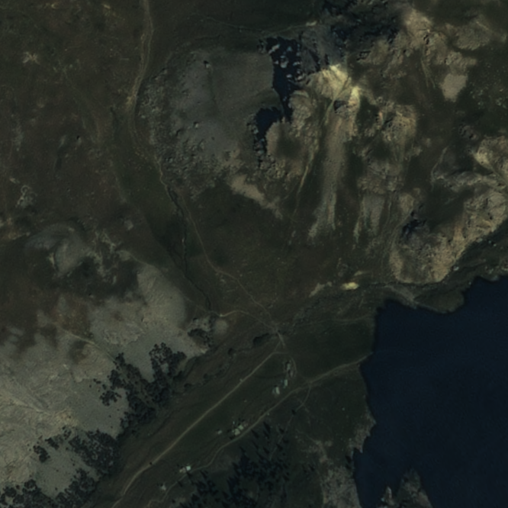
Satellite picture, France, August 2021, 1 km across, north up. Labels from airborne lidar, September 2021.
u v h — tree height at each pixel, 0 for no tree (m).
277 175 0
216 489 14
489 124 0
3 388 0
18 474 0
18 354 0
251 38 0
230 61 0
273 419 0
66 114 0
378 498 0
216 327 0
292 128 0
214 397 0
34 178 0
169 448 0
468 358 0
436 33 0
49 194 0
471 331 0
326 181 0
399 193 0
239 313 0
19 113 0
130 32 0
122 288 0
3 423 0
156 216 0
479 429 0
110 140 0
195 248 0
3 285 0
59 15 0
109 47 0
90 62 0
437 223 0
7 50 0
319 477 0
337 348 0
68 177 0
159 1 0
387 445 0
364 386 0
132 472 0
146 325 0
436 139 0
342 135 0
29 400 0
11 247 0
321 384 0
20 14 0
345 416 0
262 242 0
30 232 0
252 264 0
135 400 12
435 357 0
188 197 0
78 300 0
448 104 0
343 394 0
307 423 0
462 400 0
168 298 0
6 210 0
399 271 0
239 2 0
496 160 0
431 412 0
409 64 0
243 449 0
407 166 0
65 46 0
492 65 0
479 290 0
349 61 0
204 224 0
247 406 0
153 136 0
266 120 0
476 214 0
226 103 0
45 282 0
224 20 0
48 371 0
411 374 0
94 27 0
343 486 0
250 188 0
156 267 0
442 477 0
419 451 0
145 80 0
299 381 0
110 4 0
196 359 0
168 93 0
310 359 0
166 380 16
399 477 0
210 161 0
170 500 0
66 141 0
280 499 0
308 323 0
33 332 0
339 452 0
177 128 0
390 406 0
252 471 16
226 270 0
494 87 0
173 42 0
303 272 0
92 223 0
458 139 0
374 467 0
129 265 0
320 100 0
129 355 0
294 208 0
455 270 0
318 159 0
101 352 0
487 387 0
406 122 0
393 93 0
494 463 0
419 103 0
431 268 0
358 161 0
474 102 0
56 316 0
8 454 0
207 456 0
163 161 0
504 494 0
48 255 0
